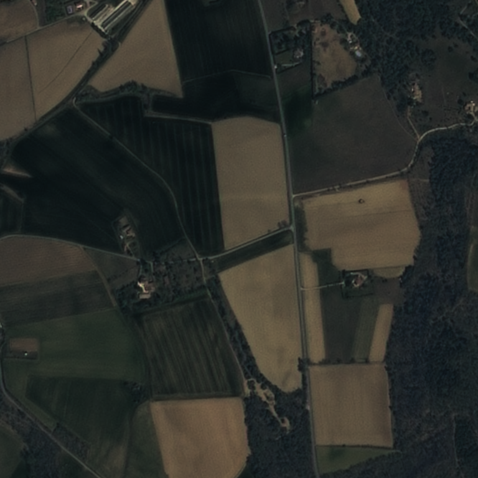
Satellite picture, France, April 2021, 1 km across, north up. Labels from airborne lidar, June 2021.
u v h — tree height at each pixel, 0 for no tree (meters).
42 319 0
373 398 0
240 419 0
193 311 0
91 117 0
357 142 0
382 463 11
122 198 0
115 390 0
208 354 0
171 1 0
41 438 12
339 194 0
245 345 9
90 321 0
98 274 0
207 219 0
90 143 0
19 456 0
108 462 0
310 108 0
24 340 0
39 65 0
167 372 0
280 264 0
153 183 0
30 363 0
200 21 0
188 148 0
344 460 0
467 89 0
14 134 0
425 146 8
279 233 0
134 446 0
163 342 0
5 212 0
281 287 0
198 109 0
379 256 0
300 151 0
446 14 12
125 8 0
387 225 0
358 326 0
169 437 0
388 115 0
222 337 0
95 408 0
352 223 0
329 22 13
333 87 10
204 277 0
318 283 0
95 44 0
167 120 0
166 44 0
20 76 0
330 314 0
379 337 0
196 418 0
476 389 12
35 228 0
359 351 0
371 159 0
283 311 0
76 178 0
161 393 0
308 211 0
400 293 0
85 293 0
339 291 0
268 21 0
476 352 10
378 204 0
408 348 13
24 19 0
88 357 0
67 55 0
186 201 0
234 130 0
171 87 0
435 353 18
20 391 0
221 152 0
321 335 0
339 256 0
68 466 0
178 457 0
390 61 13
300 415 13
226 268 0
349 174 0
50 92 0
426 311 13
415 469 7
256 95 0
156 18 0
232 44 0
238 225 0
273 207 0
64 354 0
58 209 0
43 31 0
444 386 19
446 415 8
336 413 0
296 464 13
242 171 0
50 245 0
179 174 0
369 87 0
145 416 0
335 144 0
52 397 0
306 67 0
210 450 0
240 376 0
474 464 6
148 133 0
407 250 0
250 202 0
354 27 11
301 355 0
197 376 0
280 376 0
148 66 0
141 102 0
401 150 0
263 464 13
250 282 0
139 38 0
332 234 0
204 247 0
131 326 0
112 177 0
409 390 15
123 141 0
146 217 0
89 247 0
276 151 0
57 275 0
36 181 0
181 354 0
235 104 0
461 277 6
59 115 0
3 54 0
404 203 0
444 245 11
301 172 0
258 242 0
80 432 0
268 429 12
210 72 0
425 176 0
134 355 0
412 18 16
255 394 12
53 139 0
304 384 10
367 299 0
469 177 8
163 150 0
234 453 0
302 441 12
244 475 0
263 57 0
